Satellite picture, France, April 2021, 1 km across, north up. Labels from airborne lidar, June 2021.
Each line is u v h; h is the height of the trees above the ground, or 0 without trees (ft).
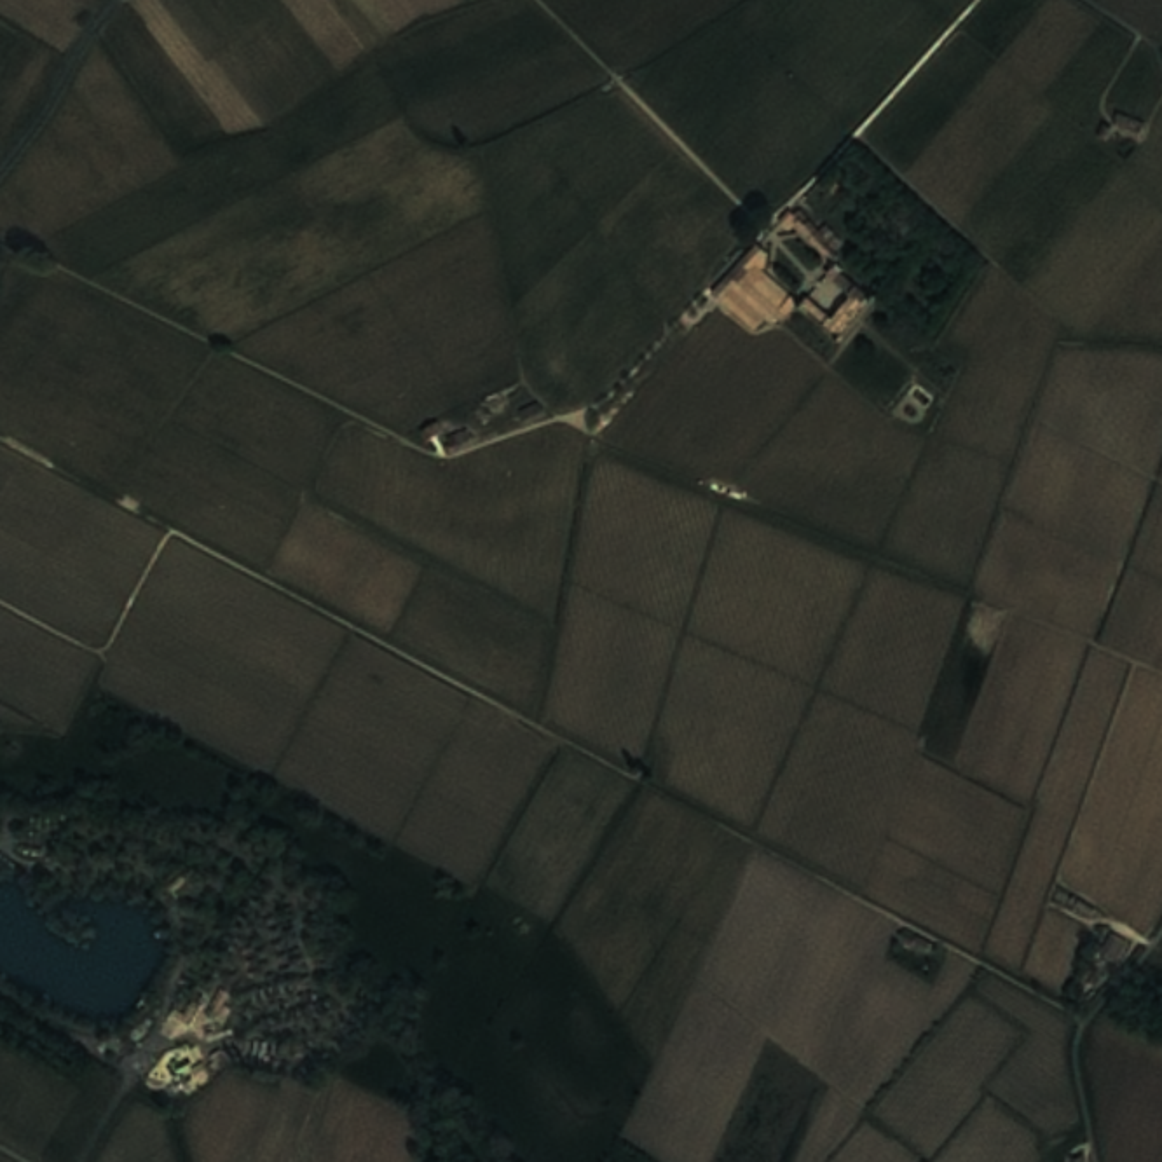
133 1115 0
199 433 0
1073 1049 0
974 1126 0
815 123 0
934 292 42
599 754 0
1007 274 0
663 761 0
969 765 0
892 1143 0
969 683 0
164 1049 0
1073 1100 0
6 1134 0
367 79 0
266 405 0
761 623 0
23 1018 59
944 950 33
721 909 0
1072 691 0
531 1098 0
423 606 0
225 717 0
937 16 0
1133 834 0
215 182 0
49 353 0
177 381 0
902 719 0
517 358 0
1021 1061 0
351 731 0
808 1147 0
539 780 0
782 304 0
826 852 0
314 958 32
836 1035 0
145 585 0
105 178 0
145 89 0
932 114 0
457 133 0
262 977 50
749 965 0
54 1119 0
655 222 0
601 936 0
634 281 0
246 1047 39
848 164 45
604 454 0
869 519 0
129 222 0
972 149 0
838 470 0
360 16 0
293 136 0
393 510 0
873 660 0
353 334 0
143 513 0
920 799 0
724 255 0
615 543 0
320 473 0
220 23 0
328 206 0
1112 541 0
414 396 0
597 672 0
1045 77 0
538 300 0
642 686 0
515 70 0
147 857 35
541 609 0
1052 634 0
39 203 0
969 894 0
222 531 0
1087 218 0
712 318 0
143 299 0
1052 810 0
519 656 0
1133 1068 0
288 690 0
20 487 0
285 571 0
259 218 0
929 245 52
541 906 0
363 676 0
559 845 0
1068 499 0
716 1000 0
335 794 0
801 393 0
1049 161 0
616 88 0
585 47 0
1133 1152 0
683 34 0
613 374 0
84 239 0
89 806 47
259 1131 0
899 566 0
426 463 0
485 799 0
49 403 0
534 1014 0
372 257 0
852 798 0
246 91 0
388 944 0
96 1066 21
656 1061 0
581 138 0
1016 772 0
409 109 0
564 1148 0
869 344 38
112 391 0
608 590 0
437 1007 0
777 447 0
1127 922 0
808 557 0
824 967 0
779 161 0
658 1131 0
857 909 0
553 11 0
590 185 0
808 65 0
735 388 0
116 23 0
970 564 0
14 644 0
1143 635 0
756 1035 0
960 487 0
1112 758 0
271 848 46
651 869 0
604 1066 0
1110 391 0
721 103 0
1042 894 0
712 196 0
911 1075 0
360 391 0
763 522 0
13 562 0
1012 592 0
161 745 51
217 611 0
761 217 52
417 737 0
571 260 0
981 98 0
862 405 0
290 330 0
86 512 0
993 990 0
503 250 0
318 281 0
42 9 0
